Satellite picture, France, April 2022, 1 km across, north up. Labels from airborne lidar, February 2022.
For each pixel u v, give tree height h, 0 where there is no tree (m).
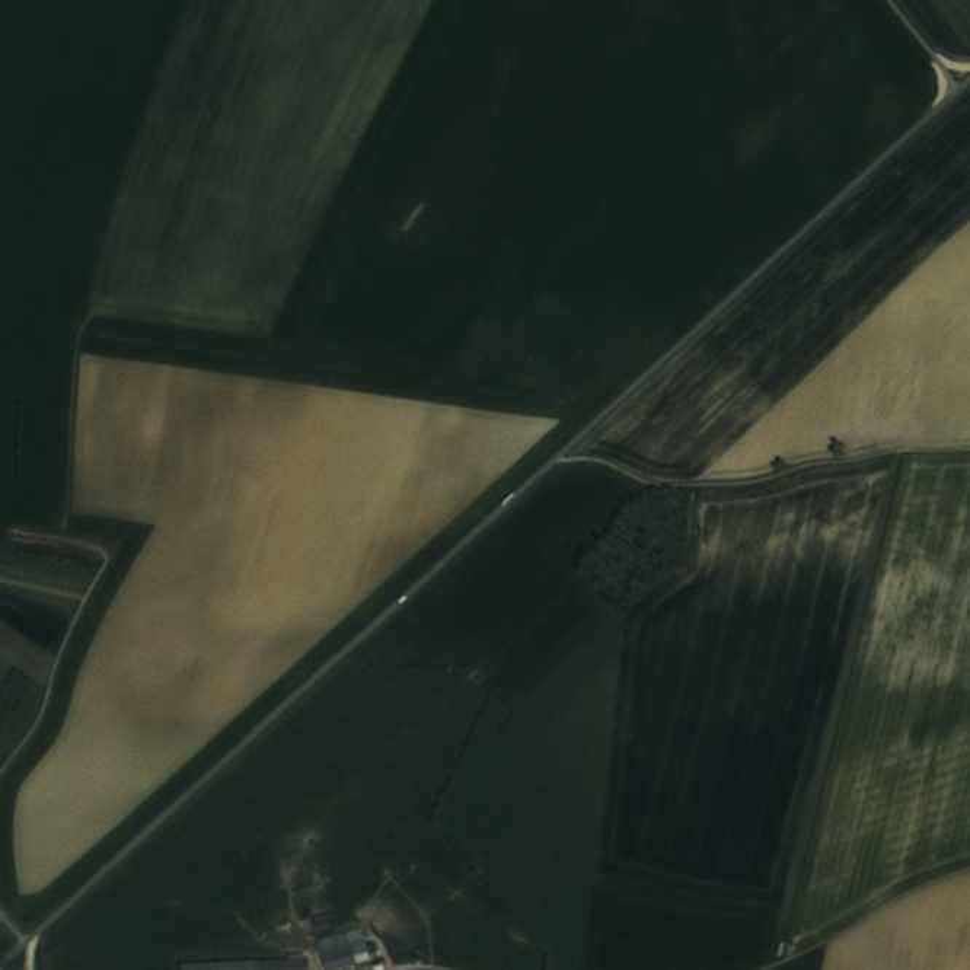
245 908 0
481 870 7
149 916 0
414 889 0
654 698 0
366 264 0
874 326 0
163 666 0
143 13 0
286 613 0
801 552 0
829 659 0
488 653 0
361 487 0
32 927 10
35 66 0
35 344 0
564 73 0
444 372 0
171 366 0
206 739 0
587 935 0
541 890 0
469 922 0
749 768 0
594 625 0
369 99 0
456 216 0
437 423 0
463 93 0
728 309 0
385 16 0
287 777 0
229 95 0
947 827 0
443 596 0
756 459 0
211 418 0
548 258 0
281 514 0
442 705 0
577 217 0
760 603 0
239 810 0
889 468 0
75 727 0
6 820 0
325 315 0
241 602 0
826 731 0
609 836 0
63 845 0
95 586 0
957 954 0
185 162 0
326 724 0
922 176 0
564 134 0
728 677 0
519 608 0
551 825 0
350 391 0
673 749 0
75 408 0
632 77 0
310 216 0
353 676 0
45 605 0
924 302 0
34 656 0
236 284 0
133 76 0
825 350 0
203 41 0
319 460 0
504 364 0
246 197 0
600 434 0
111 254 0
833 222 0
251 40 0
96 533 0
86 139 0
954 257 0
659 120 0
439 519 0
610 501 0
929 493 0
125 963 0
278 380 0
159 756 0
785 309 0
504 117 0
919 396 0
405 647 0
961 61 0
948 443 0
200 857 0
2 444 0
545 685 0
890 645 0
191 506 0
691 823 0
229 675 0
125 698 0
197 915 0
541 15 0
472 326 0
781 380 0
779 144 0
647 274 0
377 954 0
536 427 0
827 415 0
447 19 0
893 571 0
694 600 0
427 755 0
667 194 0
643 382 0
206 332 0
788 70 0
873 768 0
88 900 0
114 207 0
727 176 0
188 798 0
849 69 0
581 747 0
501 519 0
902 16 0
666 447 0
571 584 0
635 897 0
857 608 0
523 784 0
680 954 0
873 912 0
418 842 0
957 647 0
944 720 0
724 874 0
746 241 0
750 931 0
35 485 0
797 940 0
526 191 0
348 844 0
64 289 0
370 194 0
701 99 0
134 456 0
